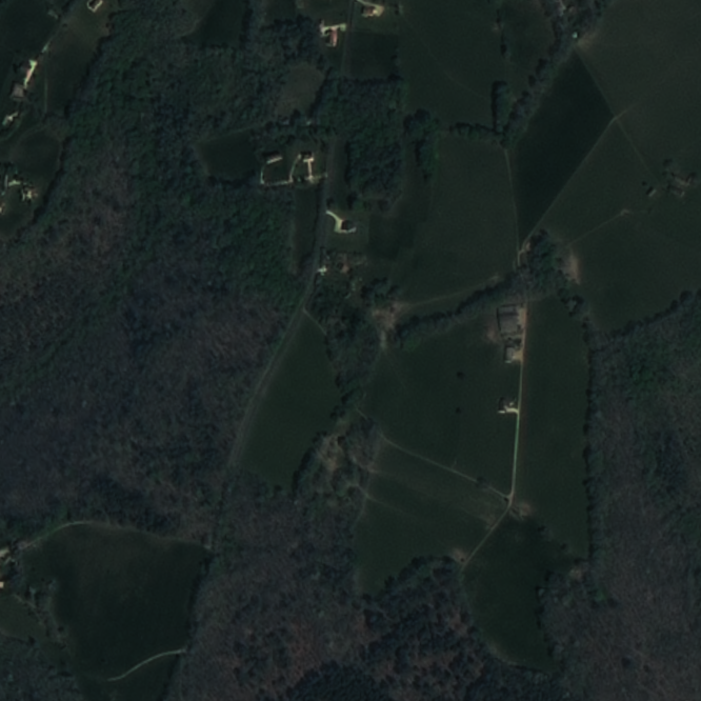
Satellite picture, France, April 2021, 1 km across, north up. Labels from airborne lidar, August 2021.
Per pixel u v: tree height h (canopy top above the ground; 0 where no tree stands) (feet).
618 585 55
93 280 58
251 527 63
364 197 64
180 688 49
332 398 0
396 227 0
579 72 0
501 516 0
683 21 0
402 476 0
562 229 0
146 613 0
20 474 51
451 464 0
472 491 0
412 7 0
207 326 51
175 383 56
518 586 0
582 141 0
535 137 0
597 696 52
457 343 0
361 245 0
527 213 0
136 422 47
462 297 0
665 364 58
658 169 0
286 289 77
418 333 68
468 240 0
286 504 47
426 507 0
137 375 49
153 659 0
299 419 0
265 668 47
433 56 0
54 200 65
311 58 71
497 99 52
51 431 27
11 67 0
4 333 59
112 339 54
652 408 51
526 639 0
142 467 52
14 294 44
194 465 63
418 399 0
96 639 0
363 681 69
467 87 0
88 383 54
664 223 0
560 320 0
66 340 64
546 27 0
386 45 0
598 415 64
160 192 76
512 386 0
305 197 0
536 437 0
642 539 69
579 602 72
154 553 0
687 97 0
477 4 0
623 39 0
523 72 0
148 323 43
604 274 0
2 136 26
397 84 72
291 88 0
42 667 48
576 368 0
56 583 0
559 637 64
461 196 0
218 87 34
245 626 68
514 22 0
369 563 0
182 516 46
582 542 0
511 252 0
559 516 0
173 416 58
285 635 58
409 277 0
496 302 79
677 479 76
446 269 0
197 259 58
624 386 57
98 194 69
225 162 0
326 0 0
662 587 68
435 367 0
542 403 0
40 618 40
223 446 35
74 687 44
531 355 0
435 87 0
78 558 0
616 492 70
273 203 67
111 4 0
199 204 81
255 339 37
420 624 78
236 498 71
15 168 41
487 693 77
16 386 68
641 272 0
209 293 53
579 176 0
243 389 54
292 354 0
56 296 56
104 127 80
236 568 45
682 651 60
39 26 0
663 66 0
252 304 64
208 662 46
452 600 44
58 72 0
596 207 0
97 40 0
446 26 0
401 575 0
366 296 60
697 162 0
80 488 63
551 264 75
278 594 51
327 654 26
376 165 72
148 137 71
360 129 84
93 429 54
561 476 0
